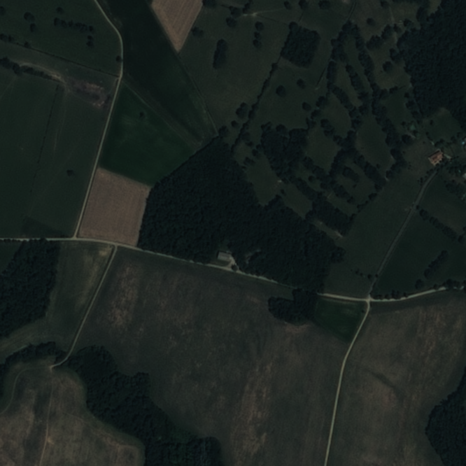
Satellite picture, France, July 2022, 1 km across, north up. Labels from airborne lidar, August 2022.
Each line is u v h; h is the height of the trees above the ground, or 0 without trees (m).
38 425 0
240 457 0
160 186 19
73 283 0
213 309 0
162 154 0
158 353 0
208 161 13
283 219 20
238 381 0
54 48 0
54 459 0
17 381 0
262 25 15
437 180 0
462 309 0
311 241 22
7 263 0
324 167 0
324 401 0
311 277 19
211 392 0
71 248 0
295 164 22
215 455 16
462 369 0
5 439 0
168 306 0
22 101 0
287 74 0
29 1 0
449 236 10
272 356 0
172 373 0
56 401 0
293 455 0
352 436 0
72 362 14
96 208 0
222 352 0
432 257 0
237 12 14
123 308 0
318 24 0
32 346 17
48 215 0
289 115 0
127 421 11
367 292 0
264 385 0
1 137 0
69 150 0
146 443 12
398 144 22
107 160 0
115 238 0
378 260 0
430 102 19
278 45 0
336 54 18
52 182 0
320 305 0
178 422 0
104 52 0
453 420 31
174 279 0
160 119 0
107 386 18
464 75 23
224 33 0
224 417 0
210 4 20
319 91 0
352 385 0
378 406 0
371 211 0
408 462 0
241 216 19
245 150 0
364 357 0
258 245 20
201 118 0
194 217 17
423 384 0
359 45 19
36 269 24
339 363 0
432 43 21
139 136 0
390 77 0
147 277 0
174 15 0
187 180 14
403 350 0
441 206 0
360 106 0
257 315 0
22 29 0
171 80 0
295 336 0
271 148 18
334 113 0
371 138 0
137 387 21
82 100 0
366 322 0
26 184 0
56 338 0
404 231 0
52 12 0
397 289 0
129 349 0
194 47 0
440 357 0
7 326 20
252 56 0
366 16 0
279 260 20
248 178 19
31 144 0
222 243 16
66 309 0
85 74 0
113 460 0
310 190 20
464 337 0
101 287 0
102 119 0
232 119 0
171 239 20
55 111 0
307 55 15
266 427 0
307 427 0
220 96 0
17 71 17
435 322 0
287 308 19
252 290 0
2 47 0
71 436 0
